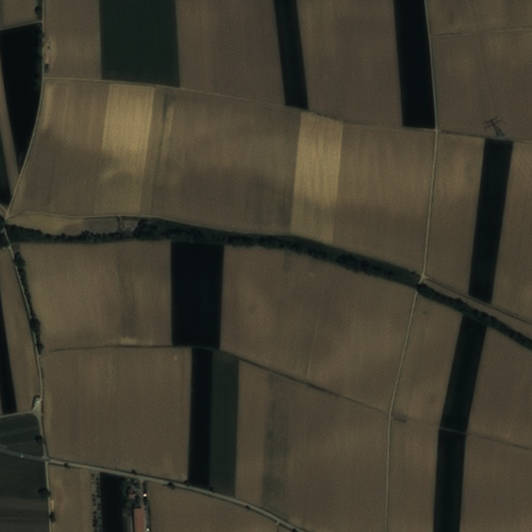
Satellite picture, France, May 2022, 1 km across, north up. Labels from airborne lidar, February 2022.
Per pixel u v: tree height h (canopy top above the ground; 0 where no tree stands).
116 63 0
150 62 0
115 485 0
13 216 0
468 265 0
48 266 0
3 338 0
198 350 0
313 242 0
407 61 0
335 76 0
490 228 0
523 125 0
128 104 0
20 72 0
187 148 0
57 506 0
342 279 0
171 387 0
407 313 0
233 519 0
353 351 0
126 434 0
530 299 0
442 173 0
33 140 0
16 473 0
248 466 0
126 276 0
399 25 0
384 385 0
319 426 0
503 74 0
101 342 0
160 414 0
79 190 0
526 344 13
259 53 0
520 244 0
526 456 0
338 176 0
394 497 0
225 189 0
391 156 0
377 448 0
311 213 0
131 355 0
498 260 0
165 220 0
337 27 0
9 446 0
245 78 0
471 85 0
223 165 0
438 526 0
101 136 0
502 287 0
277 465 0
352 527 0
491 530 0
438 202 0
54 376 0
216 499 0
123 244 0
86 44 0
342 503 0
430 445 0
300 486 0
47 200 0
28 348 0
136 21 0
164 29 0
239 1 0
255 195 0
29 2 0
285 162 0
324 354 0
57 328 0
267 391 0
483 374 0
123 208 0
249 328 0
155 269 0
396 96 0
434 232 0
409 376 0
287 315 0
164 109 0
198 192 0
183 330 0
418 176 0
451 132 0
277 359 0
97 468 0
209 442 0
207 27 0
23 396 0
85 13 0
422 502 0
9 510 0
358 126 0
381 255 0
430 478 0
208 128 0
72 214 0
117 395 0
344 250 0
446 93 0
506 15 0
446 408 0
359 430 0
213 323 0
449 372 0
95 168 0
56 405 0
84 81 0
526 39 0
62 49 0
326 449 0
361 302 0
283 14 0
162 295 0
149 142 0
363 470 0
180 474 0
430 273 0
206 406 0
